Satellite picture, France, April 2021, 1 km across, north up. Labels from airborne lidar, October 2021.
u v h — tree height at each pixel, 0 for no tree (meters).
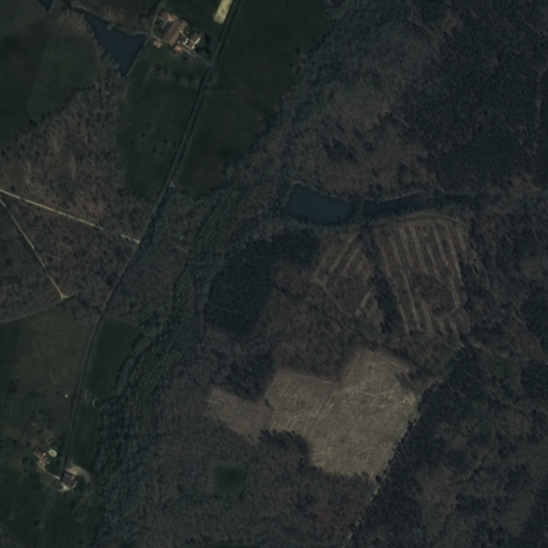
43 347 0
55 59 0
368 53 16
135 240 11
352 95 19
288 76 0
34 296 17
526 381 21
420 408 0
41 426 0
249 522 24
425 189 21
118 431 17
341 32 13
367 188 13
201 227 24
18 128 0
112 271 19
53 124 20
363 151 19
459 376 20
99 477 17
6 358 0
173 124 0
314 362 14
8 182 8
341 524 6
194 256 19
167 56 0
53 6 0
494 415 19
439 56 18
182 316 19
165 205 12
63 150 0
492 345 11
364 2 14
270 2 0
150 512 23
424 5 30
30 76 0
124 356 0
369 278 0
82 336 0
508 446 17
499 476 26
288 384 0
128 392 22
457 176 19
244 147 0
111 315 14
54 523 0
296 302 18
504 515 19
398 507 20
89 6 0
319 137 18
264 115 0
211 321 21
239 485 0
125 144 0
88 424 0
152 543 25
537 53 19
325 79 16
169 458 12
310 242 22
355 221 19
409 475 18
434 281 9
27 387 0
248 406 0
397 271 0
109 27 13
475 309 23
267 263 19
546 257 11
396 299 25
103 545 12
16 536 0
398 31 21
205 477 14
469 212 9
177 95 0
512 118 18
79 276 10
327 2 18
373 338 18
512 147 21
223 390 11
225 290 18
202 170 0
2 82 0
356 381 0
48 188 9
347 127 17
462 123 19
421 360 19
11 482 0
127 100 0
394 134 16
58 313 0
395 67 16
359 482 15
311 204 0
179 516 21
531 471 22
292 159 21
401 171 12
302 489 17
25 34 0
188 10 0
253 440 17
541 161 12
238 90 0
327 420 0
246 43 0
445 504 16
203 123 0
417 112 17
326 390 0
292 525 22
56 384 0
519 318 15
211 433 17
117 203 17
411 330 0
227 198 22
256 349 11
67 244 9
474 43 16
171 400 19
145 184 0
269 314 9
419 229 9
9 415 0
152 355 21
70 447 0
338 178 15
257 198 8
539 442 20
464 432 15
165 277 20
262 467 15
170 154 0
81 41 0
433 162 18
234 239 13
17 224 12
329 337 16
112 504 19
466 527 16
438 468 19
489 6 23
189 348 12
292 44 0
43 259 13
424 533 23
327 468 0
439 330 0
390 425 0
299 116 21
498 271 16
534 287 16
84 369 0
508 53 18
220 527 23
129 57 0
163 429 22
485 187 20
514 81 19
